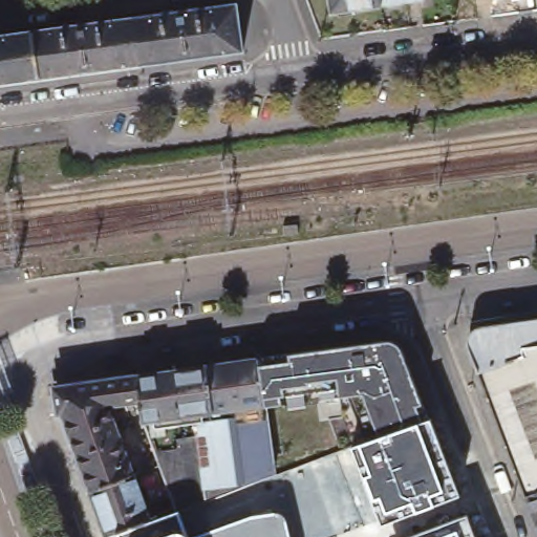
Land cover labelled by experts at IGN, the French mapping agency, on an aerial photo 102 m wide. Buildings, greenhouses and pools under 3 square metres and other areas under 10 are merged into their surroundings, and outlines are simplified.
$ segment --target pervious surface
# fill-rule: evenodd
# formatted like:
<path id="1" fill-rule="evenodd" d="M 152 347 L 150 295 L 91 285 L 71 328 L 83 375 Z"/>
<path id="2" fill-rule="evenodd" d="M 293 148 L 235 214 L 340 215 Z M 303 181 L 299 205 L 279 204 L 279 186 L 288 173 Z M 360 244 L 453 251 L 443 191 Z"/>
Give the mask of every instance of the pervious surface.
<path id="1" fill-rule="evenodd" d="M 187 256 L 195 256 L 468 216 L 464 212 L 464 199 L 470 199 L 472 195 L 503 193 L 506 189 L 537 191 L 537 113 L 474 122 L 453 130 L 430 130 L 430 120 L 417 122 L 413 132 L 407 132 L 394 132 L 386 136 L 340 136 L 329 145 L 321 147 L 300 147 L 296 143 L 283 143 L 250 151 L 233 151 L 218 153 L 157 164 L 132 164 L 109 168 L 107 172 L 94 176 L 67 178 L 65 182 L 50 185 L 46 193 L 27 195 L 25 203 L 15 203 L 15 191 L 0 187 L 0 285 L 15 283 L 23 273 L 31 277 L 67 275 L 164 260 L 164 254 L 168 252 L 185 252 Z"/>

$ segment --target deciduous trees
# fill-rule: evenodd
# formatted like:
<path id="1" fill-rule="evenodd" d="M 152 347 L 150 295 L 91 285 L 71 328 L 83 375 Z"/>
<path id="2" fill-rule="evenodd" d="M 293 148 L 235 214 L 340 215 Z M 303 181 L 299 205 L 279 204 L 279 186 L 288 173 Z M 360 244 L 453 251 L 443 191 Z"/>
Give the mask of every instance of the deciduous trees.
<path id="1" fill-rule="evenodd" d="M 252 107 L 243 101 L 224 101 L 220 122 L 227 126 L 224 136 L 248 134 L 243 130 L 243 124 L 252 113 Z"/>
<path id="2" fill-rule="evenodd" d="M 445 271 L 428 271 L 428 281 L 432 283 L 432 285 L 436 285 L 436 287 L 445 287 L 445 285 L 447 285 L 449 273 L 445 273 Z"/>
<path id="3" fill-rule="evenodd" d="M 327 300 L 331 304 L 342 302 L 346 298 L 344 287 L 331 287 L 331 283 L 325 279 L 325 283 L 306 285 L 304 289 L 315 292 L 313 300 Z"/>
<path id="4" fill-rule="evenodd" d="M 283 99 L 283 94 L 271 92 L 266 111 L 287 113 L 289 103 Z"/>
<path id="5" fill-rule="evenodd" d="M 90 13 L 94 13 L 99 0 L 23 0 L 25 8 L 44 6 L 50 10 L 59 10 L 73 6 L 80 17 L 88 17 Z"/>
<path id="6" fill-rule="evenodd" d="M 61 527 L 50 491 L 46 487 L 25 487 L 25 491 L 17 497 L 17 508 L 21 524 L 29 537 L 67 537 Z"/>
<path id="7" fill-rule="evenodd" d="M 455 109 L 472 103 L 537 96 L 537 59 L 531 59 L 527 55 L 508 55 L 495 59 L 495 67 L 482 65 L 459 69 L 451 61 L 443 61 L 430 71 L 426 71 L 422 86 L 394 78 L 386 90 L 386 101 L 392 107 L 399 107 L 403 113 L 409 113 L 409 109 L 422 101 L 432 103 L 436 109 Z"/>
<path id="8" fill-rule="evenodd" d="M 159 105 L 138 103 L 138 111 L 134 113 L 134 128 L 149 147 L 155 138 L 166 136 L 172 130 L 176 120 L 185 120 L 182 130 L 187 132 L 193 130 L 193 126 L 208 124 L 208 107 L 187 107 L 176 113 L 176 109 L 166 111 Z"/>
<path id="9" fill-rule="evenodd" d="M 210 306 L 220 306 L 224 315 L 239 317 L 243 310 L 243 302 L 233 302 L 222 292 L 220 298 L 210 300 Z"/>
<path id="10" fill-rule="evenodd" d="M 380 90 L 373 84 L 350 82 L 344 88 L 329 84 L 313 84 L 306 90 L 302 88 L 298 111 L 302 113 L 304 122 L 308 126 L 334 124 L 338 117 L 340 101 L 352 109 L 371 105 L 380 96 Z"/>
<path id="11" fill-rule="evenodd" d="M 25 432 L 25 415 L 15 407 L 6 407 L 0 411 L 0 441 Z"/>

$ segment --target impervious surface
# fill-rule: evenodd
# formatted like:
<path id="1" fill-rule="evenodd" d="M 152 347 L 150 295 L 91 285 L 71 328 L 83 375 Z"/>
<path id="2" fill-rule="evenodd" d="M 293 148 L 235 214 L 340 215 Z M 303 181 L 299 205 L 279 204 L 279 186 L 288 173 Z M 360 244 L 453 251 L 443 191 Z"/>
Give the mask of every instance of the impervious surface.
<path id="1" fill-rule="evenodd" d="M 185 478 L 199 480 L 199 470 L 208 466 L 206 438 L 197 436 L 191 428 L 166 432 L 164 428 L 151 428 L 145 436 L 149 453 L 162 476 L 162 482 L 170 485 Z"/>
<path id="2" fill-rule="evenodd" d="M 459 0 L 457 21 L 424 23 L 424 8 L 428 4 L 426 0 L 415 0 L 411 6 L 411 19 L 415 21 L 413 27 L 378 27 L 369 31 L 329 36 L 334 27 L 331 21 L 329 13 L 334 13 L 340 0 L 235 0 L 239 2 L 241 15 L 241 40 L 235 55 L 231 55 L 229 59 L 203 63 L 199 67 L 189 69 L 168 69 L 166 73 L 145 73 L 138 78 L 138 65 L 120 65 L 111 69 L 94 69 L 90 73 L 48 76 L 21 80 L 15 84 L 0 84 L 0 147 L 69 138 L 71 147 L 65 147 L 61 153 L 69 155 L 73 162 L 84 164 L 212 145 L 218 153 L 233 151 L 233 143 L 266 136 L 277 138 L 287 134 L 321 134 L 361 124 L 403 122 L 407 124 L 407 132 L 413 132 L 417 122 L 430 120 L 478 109 L 520 107 L 537 103 L 537 96 L 472 103 L 455 109 L 436 109 L 432 103 L 422 101 L 409 109 L 409 113 L 403 113 L 399 107 L 392 107 L 386 101 L 386 90 L 394 78 L 422 86 L 426 71 L 430 71 L 443 61 L 451 61 L 459 69 L 482 65 L 495 67 L 495 59 L 508 55 L 527 55 L 531 59 L 537 59 L 537 0 Z M 380 90 L 380 96 L 371 105 L 352 109 L 340 101 L 338 117 L 334 124 L 308 126 L 304 122 L 302 113 L 298 111 L 302 88 L 306 90 L 313 84 L 329 84 L 344 88 L 350 82 L 373 84 Z M 266 111 L 271 92 L 283 94 L 283 99 L 289 103 L 287 113 Z M 224 101 L 243 101 L 252 107 L 252 113 L 243 124 L 243 130 L 248 134 L 224 136 L 227 126 L 220 122 Z M 134 128 L 134 113 L 138 111 L 138 103 L 159 105 L 166 111 L 176 109 L 176 113 L 187 107 L 208 107 L 208 124 L 193 126 L 193 130 L 187 132 L 182 130 L 185 120 L 176 120 L 172 130 L 166 136 L 155 138 L 149 147 Z"/>
<path id="3" fill-rule="evenodd" d="M 447 285 L 445 285 L 445 287 L 436 287 L 436 285 L 432 285 L 432 283 L 428 281 L 428 271 L 445 271 L 445 273 L 449 273 Z M 331 287 L 344 287 L 346 298 L 342 302 L 331 304 L 327 300 L 313 300 L 315 292 L 304 289 L 306 285 L 325 283 L 325 279 L 331 283 Z M 239 317 L 224 315 L 220 306 L 210 306 L 210 300 L 220 298 L 222 292 L 233 302 L 243 302 L 243 310 Z M 287 355 L 294 352 L 373 342 L 394 342 L 396 346 L 401 346 L 405 355 L 405 361 L 409 365 L 411 378 L 422 401 L 417 415 L 405 417 L 388 426 L 371 428 L 367 422 L 357 426 L 352 409 L 340 409 L 340 413 L 331 415 L 327 422 L 321 422 L 317 415 L 319 401 L 313 399 L 310 390 L 306 390 L 304 409 L 300 411 L 287 409 L 287 399 L 279 403 L 277 409 L 269 409 L 275 453 L 281 453 L 281 461 L 287 464 L 292 459 L 317 453 L 325 447 L 334 447 L 340 430 L 355 432 L 359 445 L 371 438 L 386 436 L 394 430 L 415 426 L 420 422 L 432 422 L 457 487 L 457 499 L 428 514 L 401 520 L 396 529 L 392 524 L 378 522 L 359 527 L 340 537 L 409 537 L 413 533 L 426 531 L 453 518 L 468 518 L 474 537 L 537 537 L 537 501 L 527 501 L 522 495 L 527 487 L 514 459 L 506 430 L 501 426 L 493 396 L 489 392 L 487 380 L 480 371 L 480 363 L 470 344 L 470 336 L 474 334 L 474 329 L 480 327 L 537 319 L 537 208 L 468 216 L 195 256 L 187 256 L 185 252 L 168 252 L 164 254 L 164 260 L 67 275 L 31 277 L 23 273 L 15 283 L 0 285 L 0 411 L 6 407 L 15 407 L 25 415 L 25 432 L 0 441 L 0 537 L 29 537 L 21 524 L 17 508 L 17 497 L 25 491 L 25 487 L 46 487 L 50 491 L 61 527 L 67 537 L 103 537 L 103 522 L 94 506 L 94 497 L 88 493 L 86 480 L 80 472 L 73 445 L 67 436 L 67 428 L 63 420 L 55 413 L 55 407 L 61 399 L 57 399 L 52 392 L 55 380 L 61 384 L 120 373 L 138 373 L 141 378 L 151 378 L 159 369 L 176 369 L 178 373 L 199 371 L 208 363 L 243 357 L 256 357 L 262 365 L 271 365 L 283 363 Z"/>
<path id="4" fill-rule="evenodd" d="M 149 15 L 162 10 L 182 13 L 185 8 L 193 6 L 191 0 L 99 0 L 94 13 L 90 13 L 88 17 L 80 17 L 73 6 L 59 10 L 50 10 L 44 6 L 25 8 L 23 0 L 0 0 L 0 34 L 19 29 L 31 31 L 63 23 L 86 23 L 113 17 Z"/>

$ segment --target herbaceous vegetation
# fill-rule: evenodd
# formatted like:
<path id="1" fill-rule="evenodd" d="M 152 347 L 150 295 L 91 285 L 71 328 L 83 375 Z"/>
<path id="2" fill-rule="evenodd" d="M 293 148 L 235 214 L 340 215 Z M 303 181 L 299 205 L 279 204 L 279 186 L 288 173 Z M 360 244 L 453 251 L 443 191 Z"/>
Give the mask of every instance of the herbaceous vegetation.
<path id="1" fill-rule="evenodd" d="M 61 153 L 65 147 L 71 147 L 69 138 L 0 147 L 0 187 L 15 191 L 15 203 L 25 203 L 27 195 L 46 193 L 50 185 L 65 182 L 67 178 L 59 166 Z"/>
<path id="2" fill-rule="evenodd" d="M 459 0 L 426 0 L 428 4 L 424 8 L 424 23 L 457 21 Z"/>
<path id="3" fill-rule="evenodd" d="M 403 6 L 399 10 L 367 10 L 357 15 L 348 13 L 331 21 L 334 27 L 329 36 L 369 31 L 378 27 L 413 27 L 415 21 L 411 19 L 411 6 Z"/>

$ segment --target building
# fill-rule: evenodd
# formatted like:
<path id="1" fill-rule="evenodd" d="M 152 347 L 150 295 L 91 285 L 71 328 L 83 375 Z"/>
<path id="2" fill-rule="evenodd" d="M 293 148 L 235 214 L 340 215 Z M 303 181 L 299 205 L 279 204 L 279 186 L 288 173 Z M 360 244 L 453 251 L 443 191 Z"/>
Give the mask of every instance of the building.
<path id="1" fill-rule="evenodd" d="M 527 487 L 522 495 L 527 501 L 537 501 L 537 319 L 480 327 L 474 329 L 474 334 L 470 336 L 470 344 L 480 363 L 480 371 L 487 380 L 489 392 L 493 396 L 501 426 L 506 430 L 514 459 Z"/>
<path id="2" fill-rule="evenodd" d="M 340 0 L 334 13 L 329 13 L 331 21 L 348 13 L 357 15 L 367 10 L 399 10 L 403 6 L 411 6 L 415 0 Z"/>
<path id="3" fill-rule="evenodd" d="M 241 15 L 239 2 L 235 0 L 191 0 L 193 6 L 185 8 L 182 13 L 162 10 L 149 15 L 113 17 L 86 23 L 63 23 L 31 31 L 19 29 L 0 34 L 0 84 L 15 84 L 21 80 L 48 76 L 90 73 L 94 69 L 111 69 L 120 65 L 138 65 L 138 78 L 145 73 L 166 73 L 168 69 L 189 69 L 199 67 L 203 63 L 229 59 L 231 55 L 235 55 L 241 40 Z"/>
<path id="4" fill-rule="evenodd" d="M 453 518 L 426 531 L 413 533 L 409 537 L 474 537 L 468 518 Z"/>
<path id="5" fill-rule="evenodd" d="M 80 472 L 86 480 L 88 493 L 94 497 L 94 506 L 103 522 L 103 537 L 340 537 L 359 527 L 378 522 L 392 524 L 396 529 L 401 520 L 428 514 L 457 499 L 457 487 L 432 422 L 420 422 L 415 426 L 394 430 L 386 436 L 371 438 L 359 445 L 321 457 L 317 461 L 292 468 L 287 472 L 277 472 L 275 453 L 269 409 L 277 409 L 279 403 L 287 399 L 287 409 L 300 411 L 304 409 L 306 390 L 310 390 L 313 399 L 319 401 L 317 415 L 321 422 L 327 422 L 331 415 L 340 413 L 340 409 L 352 409 L 357 426 L 367 422 L 371 428 L 388 426 L 405 417 L 417 415 L 422 401 L 411 378 L 409 365 L 405 361 L 405 355 L 401 346 L 396 346 L 394 342 L 373 342 L 294 352 L 287 355 L 283 363 L 271 365 L 262 365 L 256 357 L 243 357 L 208 363 L 199 371 L 178 373 L 176 369 L 159 369 L 151 378 L 141 378 L 138 373 L 120 373 L 61 384 L 55 380 L 52 392 L 57 399 L 61 399 L 55 407 L 55 413 L 63 420 L 67 428 L 67 436 L 73 445 Z M 199 470 L 199 480 L 185 478 L 170 485 L 162 482 L 162 476 L 149 453 L 145 436 L 151 428 L 164 428 L 166 432 L 191 428 L 197 436 L 206 438 L 208 466 Z"/>

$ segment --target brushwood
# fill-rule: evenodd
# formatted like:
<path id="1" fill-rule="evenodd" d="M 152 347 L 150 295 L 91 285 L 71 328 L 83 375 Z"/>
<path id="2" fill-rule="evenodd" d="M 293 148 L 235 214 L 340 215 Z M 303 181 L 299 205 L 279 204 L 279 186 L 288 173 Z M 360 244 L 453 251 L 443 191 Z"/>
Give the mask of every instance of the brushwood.
<path id="1" fill-rule="evenodd" d="M 218 153 L 212 145 L 84 164 L 73 162 L 69 155 L 61 153 L 59 166 L 67 178 L 94 176 L 107 172 L 109 168 L 132 164 L 157 164 Z"/>
<path id="2" fill-rule="evenodd" d="M 537 191 L 506 189 L 503 193 L 472 195 L 470 199 L 464 199 L 464 212 L 468 216 L 537 208 Z"/>
<path id="3" fill-rule="evenodd" d="M 361 124 L 321 134 L 287 134 L 277 138 L 266 136 L 233 143 L 233 151 L 250 151 L 283 143 L 296 143 L 300 147 L 321 147 L 329 145 L 340 136 L 386 136 L 394 132 L 407 132 L 407 124 L 403 122 Z"/>
<path id="4" fill-rule="evenodd" d="M 317 461 L 321 457 L 359 445 L 355 432 L 340 430 L 334 447 L 325 447 L 317 453 L 292 459 L 287 464 L 281 461 L 281 453 L 275 453 L 277 472 L 287 472 L 292 468 Z"/>
<path id="5" fill-rule="evenodd" d="M 430 130 L 453 130 L 474 122 L 537 113 L 537 103 L 520 107 L 478 109 L 430 120 Z"/>

